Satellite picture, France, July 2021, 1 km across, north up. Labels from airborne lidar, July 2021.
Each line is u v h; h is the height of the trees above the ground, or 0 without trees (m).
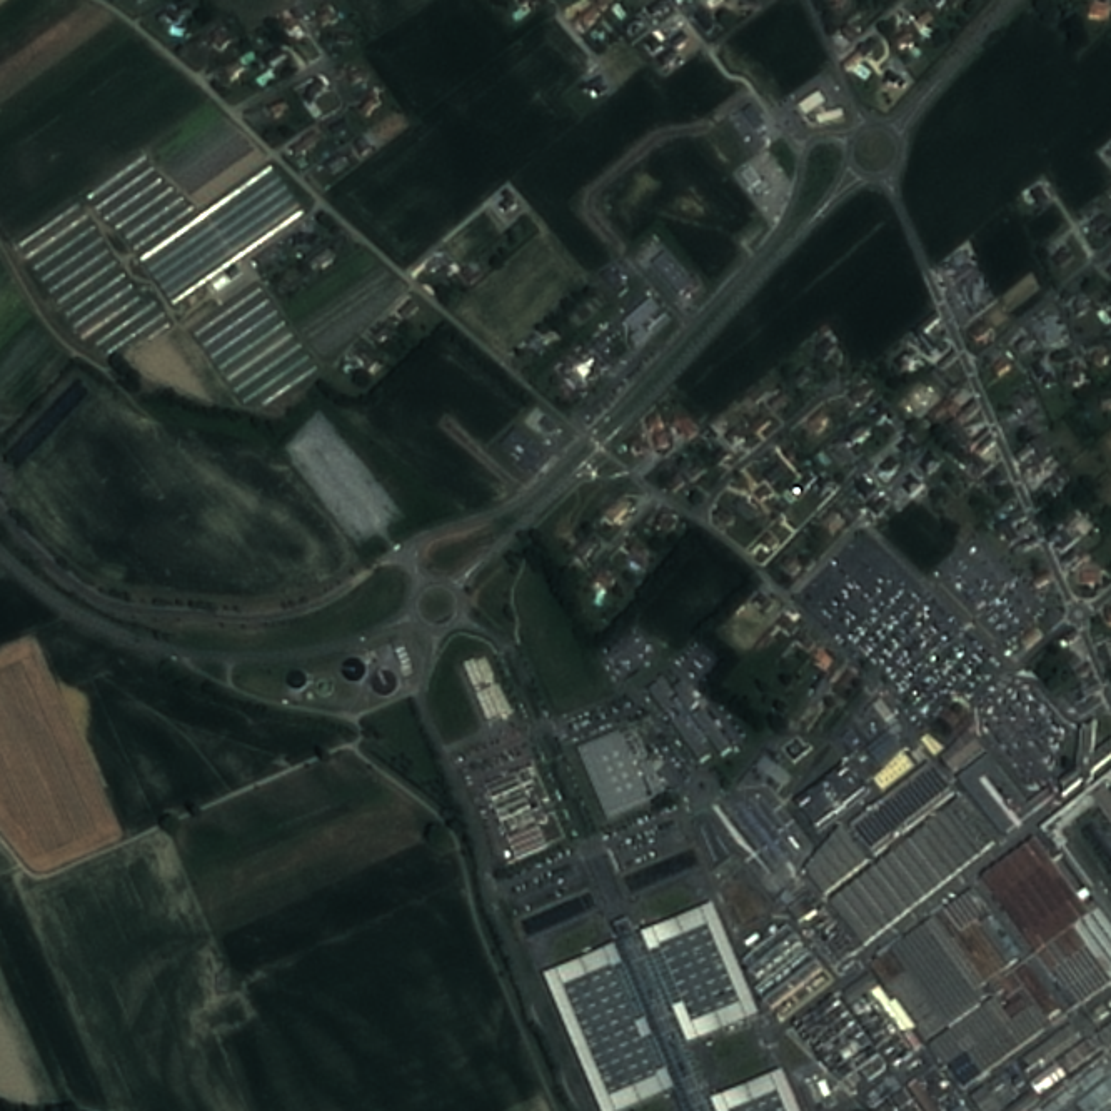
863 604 0
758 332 0
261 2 0
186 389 0
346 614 0
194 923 0
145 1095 0
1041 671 9
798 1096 0
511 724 0
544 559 9
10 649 0
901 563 0
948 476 9
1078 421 6
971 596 0
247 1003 0
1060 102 0
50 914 0
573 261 0
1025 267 0
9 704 0
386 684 0
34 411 6
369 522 0
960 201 0
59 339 0
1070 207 0
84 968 0
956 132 0
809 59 0
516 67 0
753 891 0
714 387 0
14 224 0
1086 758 0
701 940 0
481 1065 0
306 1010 0
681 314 0
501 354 0
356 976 0
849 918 0
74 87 0
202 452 0
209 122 0
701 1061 0
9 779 0
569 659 0
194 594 0
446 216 0
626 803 0
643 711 6
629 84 0
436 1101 0
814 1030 0
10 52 0
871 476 0
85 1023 0
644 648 0
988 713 0
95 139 0
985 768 0
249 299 0
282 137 9
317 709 0
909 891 0
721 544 7
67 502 0
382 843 0
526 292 0
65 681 0
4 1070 0
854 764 0
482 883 0
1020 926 0
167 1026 0
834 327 0
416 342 5
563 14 0
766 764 0
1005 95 0
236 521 0
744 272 0
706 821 0
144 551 0
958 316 0
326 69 0
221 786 0
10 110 0
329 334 0
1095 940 0
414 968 0
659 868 0
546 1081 0
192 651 0
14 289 0
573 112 0
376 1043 0
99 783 0
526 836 0
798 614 0
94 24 0
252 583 0
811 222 0
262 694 0
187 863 0
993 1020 0
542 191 0
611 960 0
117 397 6
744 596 9
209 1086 0
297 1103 0
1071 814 0
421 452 0
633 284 0
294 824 0
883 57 0
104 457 0
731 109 0
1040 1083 0
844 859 0
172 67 0
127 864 0
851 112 0
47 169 0
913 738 0
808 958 0
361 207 0
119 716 0
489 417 0
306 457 0
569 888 0
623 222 0
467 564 0
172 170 0
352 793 0
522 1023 0
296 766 0
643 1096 0
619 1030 0
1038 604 0
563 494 0
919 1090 0
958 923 0
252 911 0
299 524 0
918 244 0
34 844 0
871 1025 0
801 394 6
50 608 0
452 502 0
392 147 0
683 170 0
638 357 0
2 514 0
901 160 0
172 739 0
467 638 0
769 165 0
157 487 0
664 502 0
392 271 0
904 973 0
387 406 0
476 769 8
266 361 0
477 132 0
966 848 0
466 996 0
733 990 0
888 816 0
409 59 0
